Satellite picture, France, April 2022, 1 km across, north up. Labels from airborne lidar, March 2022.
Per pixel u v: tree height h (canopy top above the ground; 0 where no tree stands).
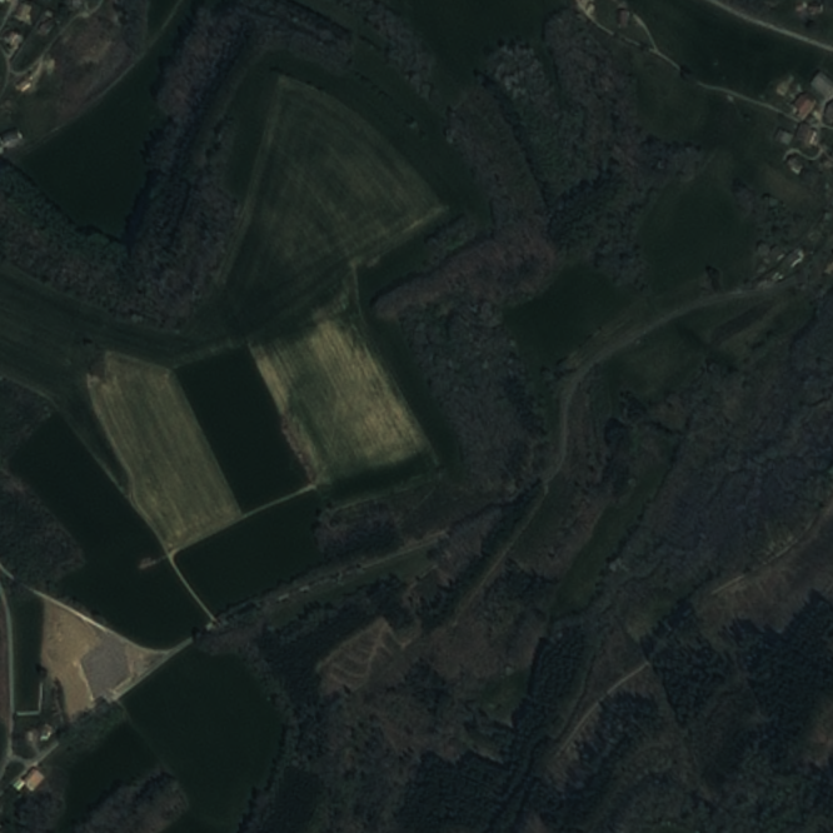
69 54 0
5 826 9
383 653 0
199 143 30
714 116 0
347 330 0
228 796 0
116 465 0
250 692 0
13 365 0
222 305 0
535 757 22
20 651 0
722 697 25
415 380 0
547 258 27
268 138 0
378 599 26
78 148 0
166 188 31
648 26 0
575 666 30
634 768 0
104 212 0
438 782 29
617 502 17
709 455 0
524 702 0
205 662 0
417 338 19
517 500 14
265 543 0
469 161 17
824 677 31
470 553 31
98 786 0
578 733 0
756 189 0
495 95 30
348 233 0
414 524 0
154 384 0
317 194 0
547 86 23
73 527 0
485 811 27
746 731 6
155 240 33
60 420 0
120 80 0
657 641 7
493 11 0
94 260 27
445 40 0
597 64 14
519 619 0
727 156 0
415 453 0
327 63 21
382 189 0
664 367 0
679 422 0
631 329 0
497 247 28
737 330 0
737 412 0
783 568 0
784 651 27
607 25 0
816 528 0
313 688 21
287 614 0
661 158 26
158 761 0
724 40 0
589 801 18
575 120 21
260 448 0
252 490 0
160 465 0
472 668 0
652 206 13
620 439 33
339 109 0
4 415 6
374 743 11
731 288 0
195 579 0
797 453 0
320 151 0
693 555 19
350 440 0
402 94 0
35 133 0
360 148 0
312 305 0
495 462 26
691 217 0
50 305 0
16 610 0
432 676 15
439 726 7
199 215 30
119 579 0
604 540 0
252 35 26
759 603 0
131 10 17
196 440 0
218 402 0
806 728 33
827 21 0
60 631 0
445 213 0
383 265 0
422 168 0
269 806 19
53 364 0
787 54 0
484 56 0
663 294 0
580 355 0
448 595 27
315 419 0
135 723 0
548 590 29
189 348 0
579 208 26
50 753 0
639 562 18
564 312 0
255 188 0
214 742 0
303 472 0
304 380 0
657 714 22
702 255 0
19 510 8
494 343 27
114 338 0
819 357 20
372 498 0
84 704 0
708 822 26
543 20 0
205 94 24
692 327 0
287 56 0
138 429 0
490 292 29
